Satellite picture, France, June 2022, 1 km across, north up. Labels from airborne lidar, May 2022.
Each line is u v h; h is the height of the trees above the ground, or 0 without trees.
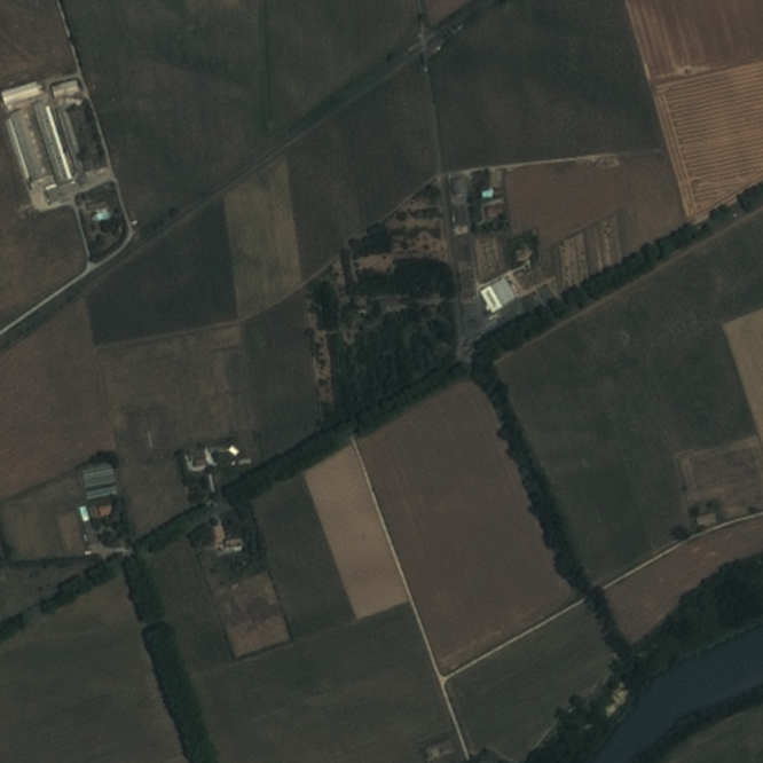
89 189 0
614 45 0
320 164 0
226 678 0
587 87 0
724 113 0
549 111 0
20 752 0
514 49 0
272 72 0
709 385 0
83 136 0
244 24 0
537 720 0
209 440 0
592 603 17
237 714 0
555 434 0
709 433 0
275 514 0
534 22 0
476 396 0
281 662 0
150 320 0
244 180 0
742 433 0
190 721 33
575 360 0
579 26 0
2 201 0
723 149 0
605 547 0
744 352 0
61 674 0
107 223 12
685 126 0
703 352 0
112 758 0
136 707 0
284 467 29
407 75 0
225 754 0
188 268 0
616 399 0
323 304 7
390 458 0
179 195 0
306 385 0
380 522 0
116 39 0
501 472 0
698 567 0
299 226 0
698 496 0
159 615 31
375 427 28
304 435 0
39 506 0
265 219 0
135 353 0
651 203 0
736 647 0
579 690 0
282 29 0
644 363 0
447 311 10
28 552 0
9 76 0
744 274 0
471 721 0
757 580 14
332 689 0
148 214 0
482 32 0
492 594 0
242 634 0
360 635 0
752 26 0
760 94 0
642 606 0
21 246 0
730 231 0
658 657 10
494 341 30
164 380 0
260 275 0
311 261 0
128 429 0
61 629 0
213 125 0
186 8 0
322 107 0
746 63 0
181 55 0
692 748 0
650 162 0
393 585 0
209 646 0
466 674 0
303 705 0
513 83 0
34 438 0
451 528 0
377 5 0
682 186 0
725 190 0
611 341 0
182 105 0
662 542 0
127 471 0
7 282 0
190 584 0
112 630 0
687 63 0
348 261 9
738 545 0
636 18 0
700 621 13
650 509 0
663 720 0
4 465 0
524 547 0
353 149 0
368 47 0
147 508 0
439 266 9
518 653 0
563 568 29
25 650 0
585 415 0
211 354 0
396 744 0
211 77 0
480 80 0
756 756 0
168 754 0
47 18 0
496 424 0
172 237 0
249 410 0
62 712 0
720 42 0
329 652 0
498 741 0
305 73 0
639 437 0
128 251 0
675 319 0
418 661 0
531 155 0
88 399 0
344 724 0
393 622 0
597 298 26
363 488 0
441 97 0
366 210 0
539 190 0
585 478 0
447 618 0
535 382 0
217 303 0
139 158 0
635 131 0
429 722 0
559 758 18
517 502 0
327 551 0
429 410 0
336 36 0
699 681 0
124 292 0
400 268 9
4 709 0
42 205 0
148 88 0
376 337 7
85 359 0
